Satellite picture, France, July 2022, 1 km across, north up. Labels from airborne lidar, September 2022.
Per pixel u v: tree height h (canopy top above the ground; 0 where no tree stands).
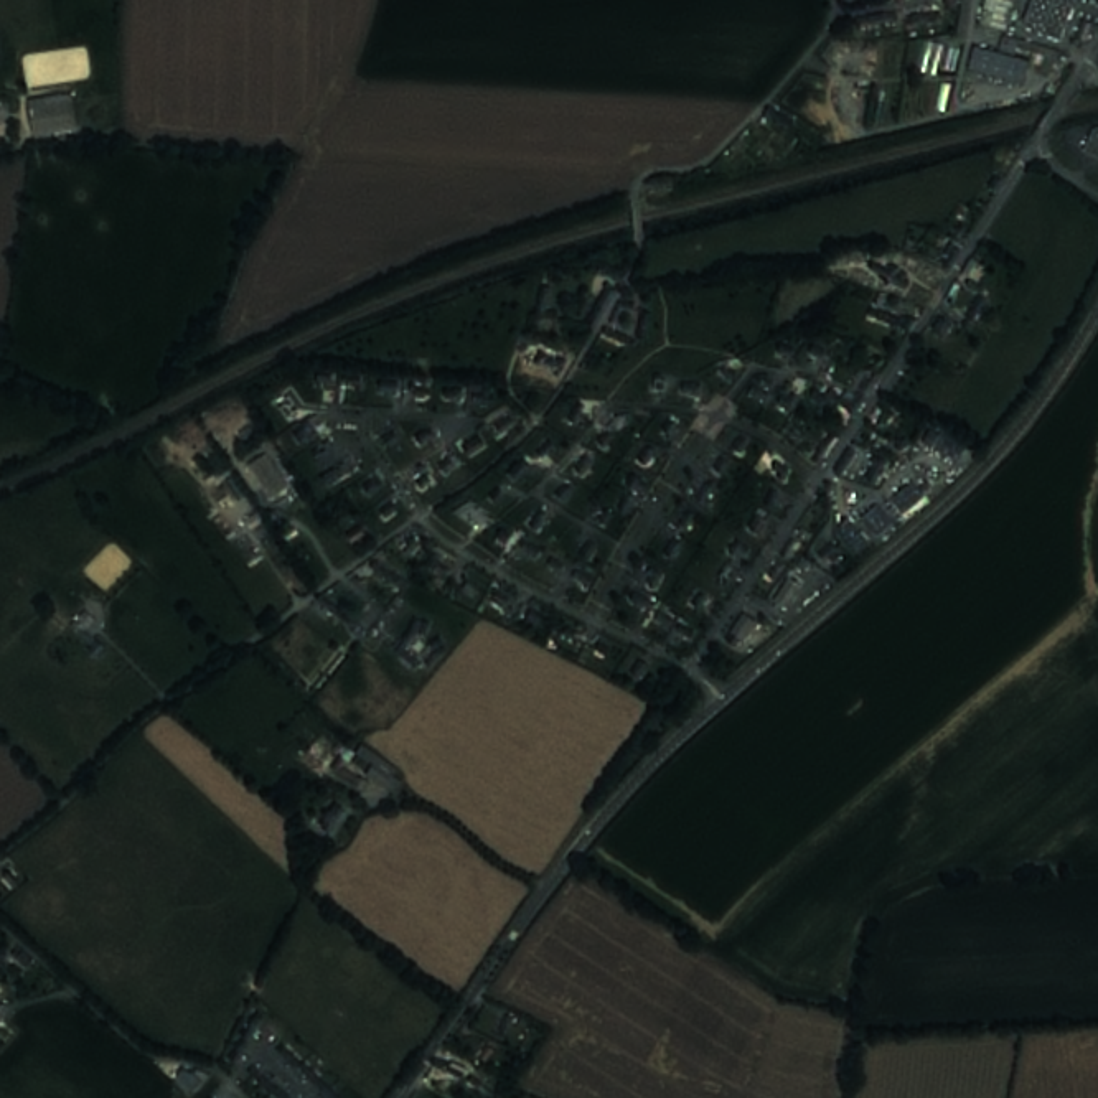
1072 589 0
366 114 0
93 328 0
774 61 0
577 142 0
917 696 0
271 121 0
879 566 0
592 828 0
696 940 18
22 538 0
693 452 0
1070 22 0
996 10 0
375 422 0
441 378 13
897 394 6
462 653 0
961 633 0
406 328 0
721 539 0
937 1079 0
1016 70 0
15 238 10
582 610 0
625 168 0
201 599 0
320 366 13
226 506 0
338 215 0
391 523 0
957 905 0
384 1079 0
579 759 0
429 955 0
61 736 0
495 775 0
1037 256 0
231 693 0
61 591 0
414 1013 0
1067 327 7
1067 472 0
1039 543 0
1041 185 0
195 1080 0
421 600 0
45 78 0
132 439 6
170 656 0
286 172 9
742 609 0
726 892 0
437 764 0
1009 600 0
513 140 0
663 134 0
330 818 0
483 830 0
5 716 0
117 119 0
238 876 0
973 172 0
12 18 0
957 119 5
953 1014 0
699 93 0
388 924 0
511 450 6
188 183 0
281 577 0
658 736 8
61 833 0
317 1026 0
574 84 0
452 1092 6
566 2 0
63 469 8
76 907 0
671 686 13
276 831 0
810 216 0
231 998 0
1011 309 0
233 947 0
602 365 10
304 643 0
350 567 0
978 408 0
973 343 15
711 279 14
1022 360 0
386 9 0
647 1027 0
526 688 0
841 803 0
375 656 0
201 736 5
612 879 15
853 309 0
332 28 0
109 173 0
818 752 0
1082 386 0
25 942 13
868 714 0
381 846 0
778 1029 0
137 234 0
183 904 0
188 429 0
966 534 0
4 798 0
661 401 0
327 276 0
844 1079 20
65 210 0
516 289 9
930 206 0
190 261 0
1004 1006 0
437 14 0
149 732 0
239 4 0
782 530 0
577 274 7
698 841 0
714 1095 0
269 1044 0
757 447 7
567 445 11
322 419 0
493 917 0
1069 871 17
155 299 0
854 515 0
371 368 13
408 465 0
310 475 0
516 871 6
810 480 0
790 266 16
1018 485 0
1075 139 0
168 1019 0
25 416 0
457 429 0
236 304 0
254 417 13
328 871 0
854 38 0
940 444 0
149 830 0
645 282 13
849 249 12
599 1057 0
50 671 0
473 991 0
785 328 11
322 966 0
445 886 0
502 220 0
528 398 12
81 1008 10
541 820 0
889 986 0
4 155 12
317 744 0
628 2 0
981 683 0
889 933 0
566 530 0
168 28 0
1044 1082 0
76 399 16
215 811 0
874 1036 20
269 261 0
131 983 0
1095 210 13
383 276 13
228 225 0
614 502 0
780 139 0
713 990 0
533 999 0
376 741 0
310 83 0
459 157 0
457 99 0
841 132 0
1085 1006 0
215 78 0
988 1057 0
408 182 0
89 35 0
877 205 0
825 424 8
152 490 0
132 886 0
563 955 0
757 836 0
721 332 0
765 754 0
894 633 0
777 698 0
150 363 0
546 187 0
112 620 0
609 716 0
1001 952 0
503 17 0
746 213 12
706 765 0
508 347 0
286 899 0
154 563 0
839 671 0
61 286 0
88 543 0
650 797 0
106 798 0
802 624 0
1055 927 0
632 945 0
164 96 0
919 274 0
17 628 0
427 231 0
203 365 14
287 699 0
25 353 0
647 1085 0
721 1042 0
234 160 19
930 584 0
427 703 0
